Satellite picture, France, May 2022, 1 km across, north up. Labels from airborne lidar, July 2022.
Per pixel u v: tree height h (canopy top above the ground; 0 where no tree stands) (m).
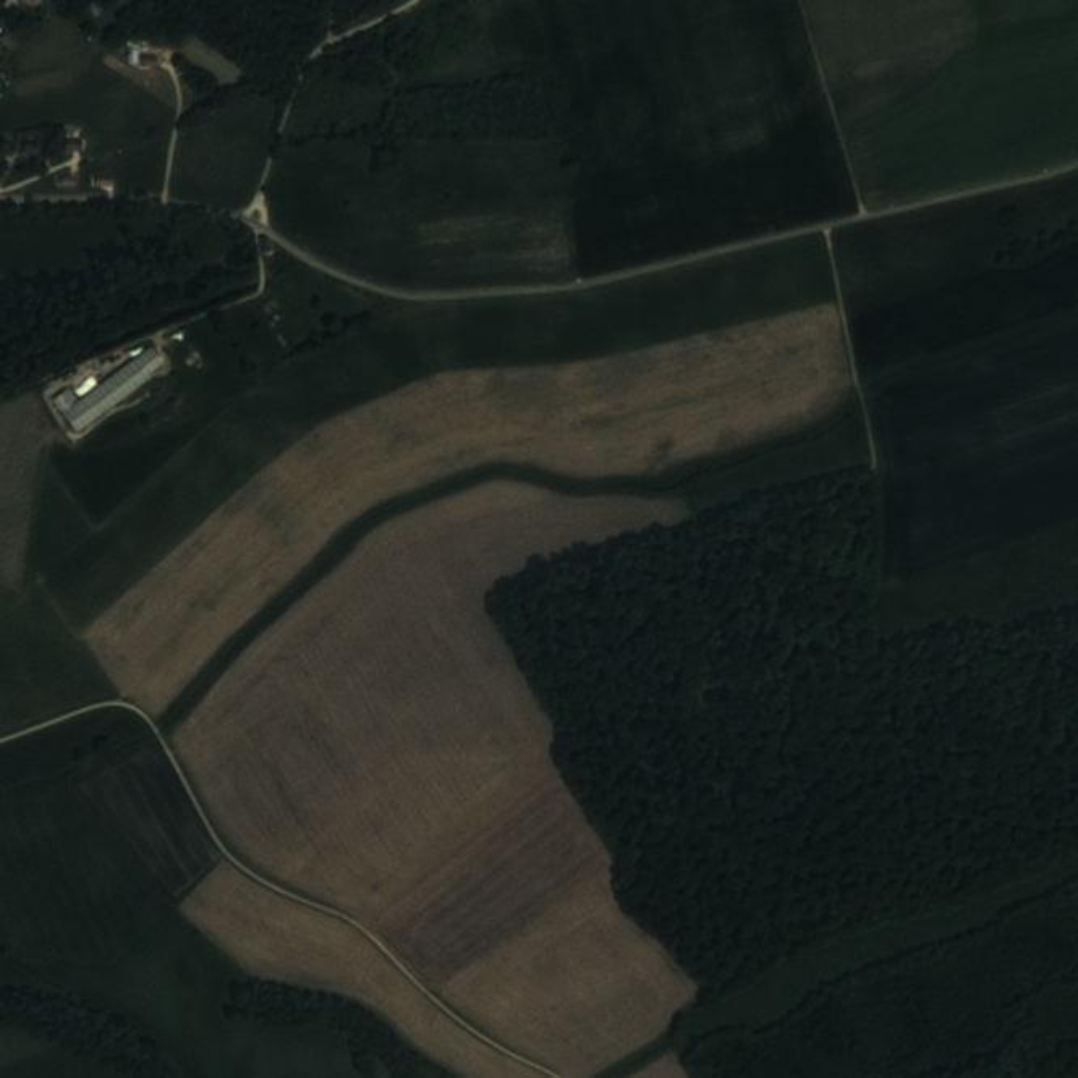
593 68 0
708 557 28
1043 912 10
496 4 0
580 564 26
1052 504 0
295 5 13
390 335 0
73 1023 21
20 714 0
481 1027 0
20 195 0
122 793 0
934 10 0
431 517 0
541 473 0
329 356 0
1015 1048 20
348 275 0
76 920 0
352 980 0
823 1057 9
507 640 7
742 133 0
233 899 0
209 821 0
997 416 0
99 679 0
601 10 0
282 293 0
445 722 0
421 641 0
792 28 0
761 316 0
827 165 0
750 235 0
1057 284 0
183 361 0
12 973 0
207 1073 0
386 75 10
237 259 16
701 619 22
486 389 0
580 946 0
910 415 0
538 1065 0
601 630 27
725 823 25
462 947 0
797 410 0
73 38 0
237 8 13
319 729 0
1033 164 0
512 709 0
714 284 0
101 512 0
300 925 0
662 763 31
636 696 28
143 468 0
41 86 0
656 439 0
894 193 0
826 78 0
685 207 0
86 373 0
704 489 0
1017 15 0
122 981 0
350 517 0
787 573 26
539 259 0
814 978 0
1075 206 0
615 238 0
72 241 0
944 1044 10
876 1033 11
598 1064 0
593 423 0
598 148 0
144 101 0
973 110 0
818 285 0
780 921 26
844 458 0
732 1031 8
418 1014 0
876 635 16
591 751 24
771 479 0
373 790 0
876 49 0
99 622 0
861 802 25
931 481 0
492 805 0
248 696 0
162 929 0
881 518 16
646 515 0
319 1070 0
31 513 0
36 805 0
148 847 0
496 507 0
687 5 0
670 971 0
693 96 0
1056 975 13
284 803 0
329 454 0
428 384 0
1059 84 0
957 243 0
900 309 0
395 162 16
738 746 23
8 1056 0
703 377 0
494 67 0
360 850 0
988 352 0
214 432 0
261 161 0
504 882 0
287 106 8
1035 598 0
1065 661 23
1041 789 26
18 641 0
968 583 0
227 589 0
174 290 26
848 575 18
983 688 24
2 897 0
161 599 0
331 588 0
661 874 25
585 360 0
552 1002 0
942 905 15
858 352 0
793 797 22
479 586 0
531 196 0
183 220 21
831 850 25
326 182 0
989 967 9
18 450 0
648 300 0
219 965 0
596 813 17
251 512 0
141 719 0
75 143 0
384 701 0
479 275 0
